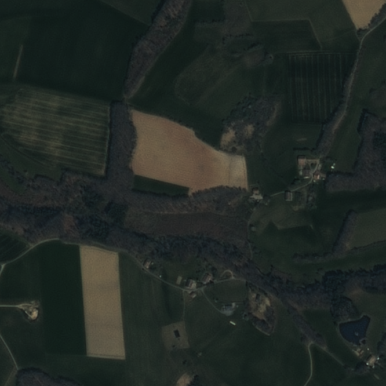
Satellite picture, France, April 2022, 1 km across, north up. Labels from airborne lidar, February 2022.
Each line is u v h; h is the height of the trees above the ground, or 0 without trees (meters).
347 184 28
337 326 14
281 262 0
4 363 0
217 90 0
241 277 12
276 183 0
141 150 0
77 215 28
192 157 0
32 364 0
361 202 0
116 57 0
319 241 0
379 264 0
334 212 0
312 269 0
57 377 0
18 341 0
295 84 0
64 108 0
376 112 0
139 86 19
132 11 0
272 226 0
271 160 0
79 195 28
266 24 0
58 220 34
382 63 0
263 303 0
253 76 0
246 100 7
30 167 0
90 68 0
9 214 17
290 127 0
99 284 0
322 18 0
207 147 0
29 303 0
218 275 19
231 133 0
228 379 0
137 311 0
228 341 0
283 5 0
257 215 0
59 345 0
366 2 0
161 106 0
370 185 29
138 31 0
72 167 0
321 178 0
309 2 0
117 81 0
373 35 0
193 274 0
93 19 0
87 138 0
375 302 0
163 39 11
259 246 0
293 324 0
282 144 0
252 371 0
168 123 0
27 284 0
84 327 0
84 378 0
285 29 0
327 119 0
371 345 0
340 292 31
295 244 0
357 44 0
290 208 0
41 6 0
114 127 22
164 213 29
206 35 0
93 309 0
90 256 0
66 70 0
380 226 0
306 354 0
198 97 0
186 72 0
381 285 25
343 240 29
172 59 0
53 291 0
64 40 0
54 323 0
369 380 0
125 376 0
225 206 27
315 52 0
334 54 0
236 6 0
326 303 26
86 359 0
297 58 0
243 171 0
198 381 15
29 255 0
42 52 0
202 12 0
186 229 0
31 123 0
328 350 0
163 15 26
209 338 0
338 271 0
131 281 0
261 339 0
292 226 0
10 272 0
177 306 0
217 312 0
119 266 0
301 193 7
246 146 0
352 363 0
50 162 0
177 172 0
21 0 0
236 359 0
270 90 0
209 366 0
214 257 26
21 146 0
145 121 0
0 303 0
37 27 0
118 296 0
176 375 0
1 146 0
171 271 0
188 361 0
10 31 0
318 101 0
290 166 0
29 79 0
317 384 0
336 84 0
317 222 0
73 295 0
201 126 0
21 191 0
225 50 0
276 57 0
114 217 31
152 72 0
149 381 0
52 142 0
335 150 0
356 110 0
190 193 0
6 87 0
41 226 16
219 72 0
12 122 0
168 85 0
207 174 0
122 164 32
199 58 0
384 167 22
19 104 0
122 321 0
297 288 28
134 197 30
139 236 8
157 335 0
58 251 0
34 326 0
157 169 0
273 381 0
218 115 0
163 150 0
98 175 0
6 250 0
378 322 0
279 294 27
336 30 0
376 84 0
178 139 0
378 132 24
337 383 0
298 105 0
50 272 0
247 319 12
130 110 18
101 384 0
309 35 0
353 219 24
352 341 0
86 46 0
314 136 0
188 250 14
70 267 0
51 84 0
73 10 0
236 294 0
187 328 0
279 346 0
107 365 0
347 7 0
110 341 0
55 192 31
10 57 0
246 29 0
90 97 0
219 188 0
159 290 0
